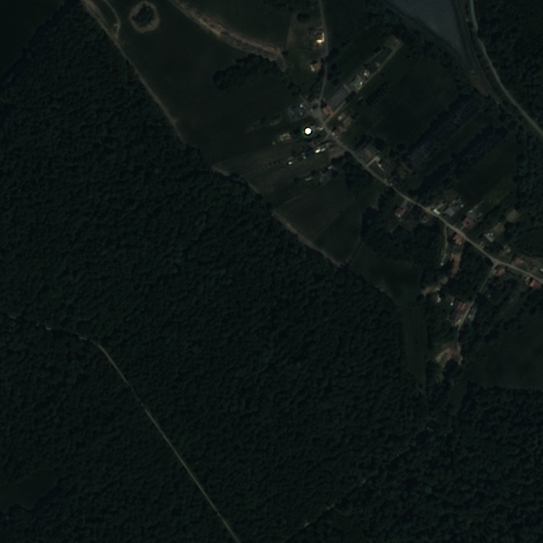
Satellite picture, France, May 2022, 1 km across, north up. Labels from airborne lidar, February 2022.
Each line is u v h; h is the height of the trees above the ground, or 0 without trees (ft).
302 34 0
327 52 0
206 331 77
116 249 100
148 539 82
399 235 51
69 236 61
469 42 0
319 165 0
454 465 100
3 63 0
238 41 60
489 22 34
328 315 97
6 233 78
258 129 0
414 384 74
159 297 96
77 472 87
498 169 0
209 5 0
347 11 0
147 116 94
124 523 78
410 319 0
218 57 0
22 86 84
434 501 102
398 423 108
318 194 0
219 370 105
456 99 0
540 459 106
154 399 90
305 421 100
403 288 0
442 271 27
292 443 97
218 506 74
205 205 96
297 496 94
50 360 82
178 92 0
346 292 100
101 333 76
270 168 0
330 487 95
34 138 78
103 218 89
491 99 47
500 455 99
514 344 0
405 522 86
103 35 55
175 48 0
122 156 65
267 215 68
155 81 0
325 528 102
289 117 0
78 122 90
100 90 89
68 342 94
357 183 79
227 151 0
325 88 0
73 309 87
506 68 87
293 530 82
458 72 57
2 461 83
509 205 0
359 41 0
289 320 91
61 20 79
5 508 0
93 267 88
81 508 83
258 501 83
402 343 73
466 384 0
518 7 41
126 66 89
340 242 0
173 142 85
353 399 91
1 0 0
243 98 0
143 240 91
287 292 92
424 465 104
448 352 0
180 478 66
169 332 98
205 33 0
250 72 86
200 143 0
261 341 95
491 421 102
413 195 56
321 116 0
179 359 88
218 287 92
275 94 0
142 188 93
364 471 96
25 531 92
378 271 0
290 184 0
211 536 72
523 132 67
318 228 0
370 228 74
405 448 104
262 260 99
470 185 0
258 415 100
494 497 101
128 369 76
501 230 0
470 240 0
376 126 0
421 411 107
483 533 37
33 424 47
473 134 0
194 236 79
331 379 109
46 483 0
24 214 92
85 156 97
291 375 96
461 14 0
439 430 106
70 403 80
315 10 0
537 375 0
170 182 92
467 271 26
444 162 0
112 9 0
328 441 96
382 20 54
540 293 31
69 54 81
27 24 0
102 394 89
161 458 84
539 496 89
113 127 85
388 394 113
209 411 96
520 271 0
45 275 89
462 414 21
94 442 88
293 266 98
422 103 0
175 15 0
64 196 103
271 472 97
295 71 0
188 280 93
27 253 79
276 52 60
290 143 0
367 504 104
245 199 84
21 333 94
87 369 95
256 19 0
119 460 35
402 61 0
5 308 43
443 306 0
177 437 66
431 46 62
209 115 0
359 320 96
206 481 81
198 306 85
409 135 0
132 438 78
